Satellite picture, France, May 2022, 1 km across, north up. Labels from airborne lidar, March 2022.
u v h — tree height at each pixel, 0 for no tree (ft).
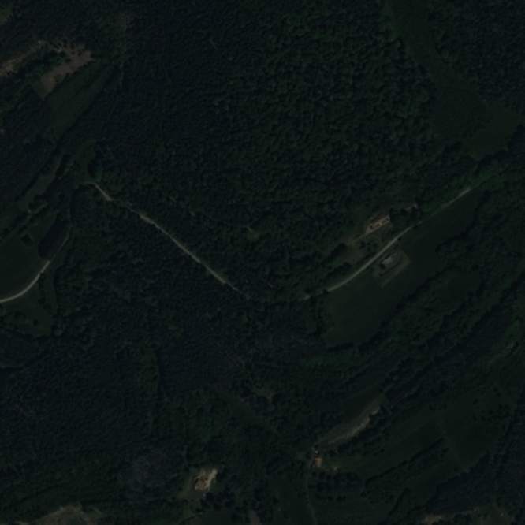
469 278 0
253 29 79
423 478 0
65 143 93
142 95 96
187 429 68
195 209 44
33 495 25
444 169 102
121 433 103
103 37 92
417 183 75
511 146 68
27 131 106
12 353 79
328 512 0
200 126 60
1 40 92
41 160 97
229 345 101
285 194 97
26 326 0
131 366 94
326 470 0
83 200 113
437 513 80
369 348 74
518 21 85
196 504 0
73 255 50
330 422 49
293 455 44
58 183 76
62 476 59
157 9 73
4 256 0
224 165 66
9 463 40
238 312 20
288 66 81
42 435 91
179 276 87
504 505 63
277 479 24
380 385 0
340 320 0
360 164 102
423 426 0
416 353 65
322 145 106
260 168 97
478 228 69
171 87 76
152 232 105
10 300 0
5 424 89
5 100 114
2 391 80
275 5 68
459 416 0
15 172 99
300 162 103
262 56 58
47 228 0
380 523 0
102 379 69
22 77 87
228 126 100
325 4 75
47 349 77
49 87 0
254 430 33
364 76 88
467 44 102
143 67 62
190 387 106
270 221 74
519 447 66
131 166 87
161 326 101
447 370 96
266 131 100
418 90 111
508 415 31
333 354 72
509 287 0
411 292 0
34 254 0
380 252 0
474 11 89
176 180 62
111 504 33
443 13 78
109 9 94
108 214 97
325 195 105
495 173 73
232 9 75
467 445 0
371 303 0
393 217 76
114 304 89
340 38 92
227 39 84
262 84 110
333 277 71
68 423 85
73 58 0
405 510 45
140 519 54
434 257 0
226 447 80
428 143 94
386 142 104
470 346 76
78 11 96
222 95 86
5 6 66
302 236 59
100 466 61
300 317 79
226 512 0
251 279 83
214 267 41
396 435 0
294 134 101
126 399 85
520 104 66
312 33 88
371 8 105
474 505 79
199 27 82
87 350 100
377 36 94
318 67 84
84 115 96
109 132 95
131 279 109
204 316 92
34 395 94
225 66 91
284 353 87
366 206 40
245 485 80
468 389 43
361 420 0
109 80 91
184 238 78
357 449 47
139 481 102
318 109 96
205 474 0
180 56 76
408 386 92
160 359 95
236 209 68
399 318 64
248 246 60
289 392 48
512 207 76
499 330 73
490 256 57
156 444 87
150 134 65
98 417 105
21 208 0
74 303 37
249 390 24
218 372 118
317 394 59
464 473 0
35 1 85
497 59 100
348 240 0
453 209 0
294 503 0
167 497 33
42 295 25
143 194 66
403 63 122
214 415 79
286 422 100
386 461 0
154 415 30
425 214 67
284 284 92
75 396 83
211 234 98
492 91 96
